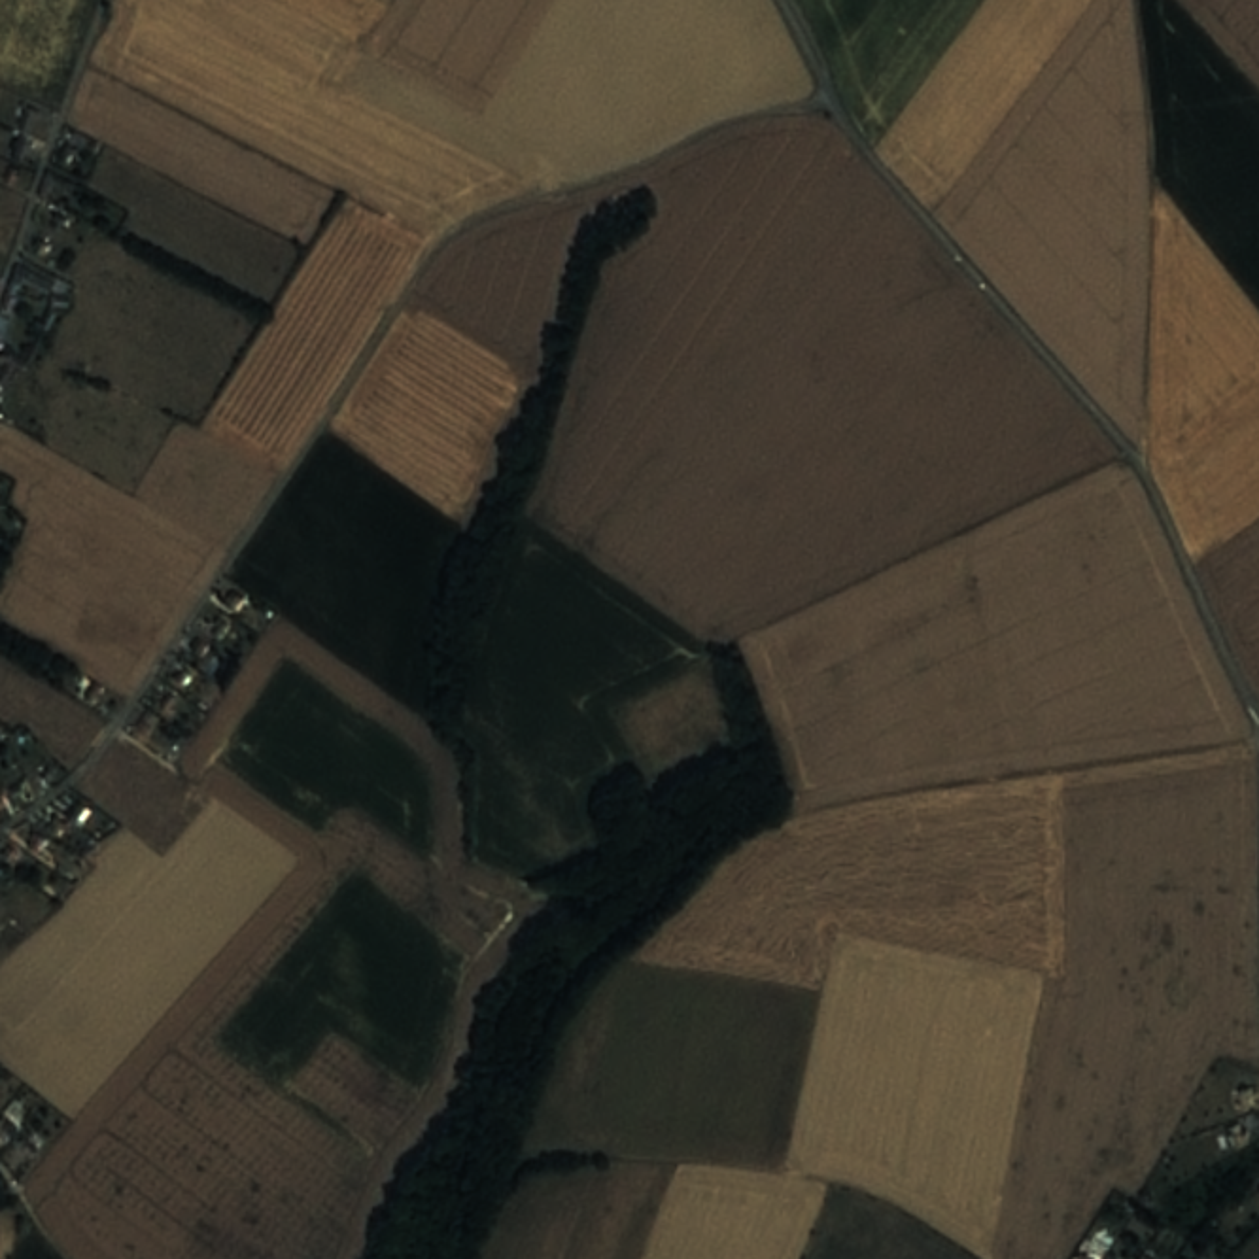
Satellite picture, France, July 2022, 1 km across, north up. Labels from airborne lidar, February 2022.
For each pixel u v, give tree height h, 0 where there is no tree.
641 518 0
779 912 0
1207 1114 0
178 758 0
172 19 0
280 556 0
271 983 0
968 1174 0
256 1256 0
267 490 0
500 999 16
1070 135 0
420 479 0
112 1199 0
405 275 0
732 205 0
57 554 0
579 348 0
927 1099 0
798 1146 0
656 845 31
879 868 0
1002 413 0
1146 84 0
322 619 0
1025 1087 0
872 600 0
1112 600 0
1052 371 0
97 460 0
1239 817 0
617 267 0
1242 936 0
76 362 0
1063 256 0
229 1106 0
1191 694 0
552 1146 0
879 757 0
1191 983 0
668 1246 0
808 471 0
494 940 0
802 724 0
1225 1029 0
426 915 0
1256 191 0
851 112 0
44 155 0
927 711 0
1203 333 0
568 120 0
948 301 0
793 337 0
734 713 16
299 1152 0
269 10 0
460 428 0
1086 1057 0
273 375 0
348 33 0
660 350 0
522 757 0
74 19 0
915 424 0
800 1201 0
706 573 0
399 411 0
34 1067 0
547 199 0
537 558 0
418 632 0
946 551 0
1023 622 0
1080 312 0
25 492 0
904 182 0
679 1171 0
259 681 0
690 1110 0
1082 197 0
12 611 0
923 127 0
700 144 0
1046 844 0
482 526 11
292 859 0
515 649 0
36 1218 0
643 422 0
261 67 0
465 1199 17
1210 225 0
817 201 0
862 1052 0
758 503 0
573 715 0
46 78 0
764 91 0
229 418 0
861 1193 0
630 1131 0
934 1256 0
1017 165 0
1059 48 0
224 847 0
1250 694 0
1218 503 0
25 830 0
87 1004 0
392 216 0
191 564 0
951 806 0
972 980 0
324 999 0
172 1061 0
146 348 0
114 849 0
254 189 0
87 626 0
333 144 0
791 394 0
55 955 0
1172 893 0
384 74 0
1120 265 0
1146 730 0
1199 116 0
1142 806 0
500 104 0
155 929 0
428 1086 0
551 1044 10
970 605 0
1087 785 0
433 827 0
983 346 0
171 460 0
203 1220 0
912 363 0
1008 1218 0
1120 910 0
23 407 0
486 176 0
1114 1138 0
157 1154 0
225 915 0
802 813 0
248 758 0
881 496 0
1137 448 0
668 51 0
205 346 0
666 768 0
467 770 14
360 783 0
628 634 0
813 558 0
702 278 0
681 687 0
